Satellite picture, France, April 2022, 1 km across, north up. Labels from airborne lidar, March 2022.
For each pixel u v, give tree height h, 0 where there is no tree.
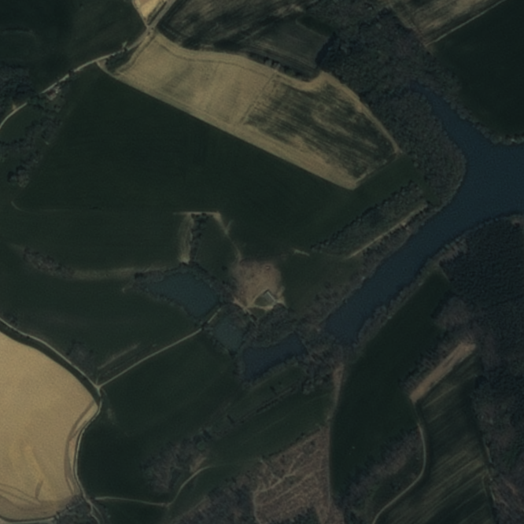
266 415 0
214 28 0
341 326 0
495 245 16
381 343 0
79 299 0
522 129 0
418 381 21
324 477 0
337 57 28
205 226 16
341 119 0
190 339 0
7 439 0
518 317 25
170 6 0
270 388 0
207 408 0
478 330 30
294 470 0
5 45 0
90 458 0
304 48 0
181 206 0
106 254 0
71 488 0
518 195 0
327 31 0
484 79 0
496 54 0
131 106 0
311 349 22
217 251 0
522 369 20
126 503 0
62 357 0
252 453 0
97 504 18
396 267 0
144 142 0
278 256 0
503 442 25
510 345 31
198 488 0
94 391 0
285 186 0
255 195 0
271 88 0
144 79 0
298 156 0
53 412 0
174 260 0
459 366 0
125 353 0
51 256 0
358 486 31
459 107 20
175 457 25
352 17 25
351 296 19
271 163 0
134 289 0
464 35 0
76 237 0
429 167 17
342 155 0
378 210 13
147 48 0
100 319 0
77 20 0
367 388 0
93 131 0
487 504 0
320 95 0
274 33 0
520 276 18
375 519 0
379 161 0
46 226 0
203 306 0
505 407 26
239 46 0
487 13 0
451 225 0
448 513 0
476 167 0
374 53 26
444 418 0
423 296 0
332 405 0
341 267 0
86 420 0
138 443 0
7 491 0
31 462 0
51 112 6
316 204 0
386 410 0
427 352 0
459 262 17
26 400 0
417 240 0
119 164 0
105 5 0
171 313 0
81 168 0
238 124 0
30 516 0
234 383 0
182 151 0
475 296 24
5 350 0
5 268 0
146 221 0
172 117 0
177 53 0
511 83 0
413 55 30
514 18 0
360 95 8
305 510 0
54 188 0
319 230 0
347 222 0
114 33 0
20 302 0
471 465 0
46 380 0
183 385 0
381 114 27
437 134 28
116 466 0
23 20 0
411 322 0
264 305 0
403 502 0
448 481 0
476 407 15
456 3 0
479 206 0
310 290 0
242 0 0
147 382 0
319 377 15
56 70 0
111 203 0
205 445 23
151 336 0
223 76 0
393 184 0
